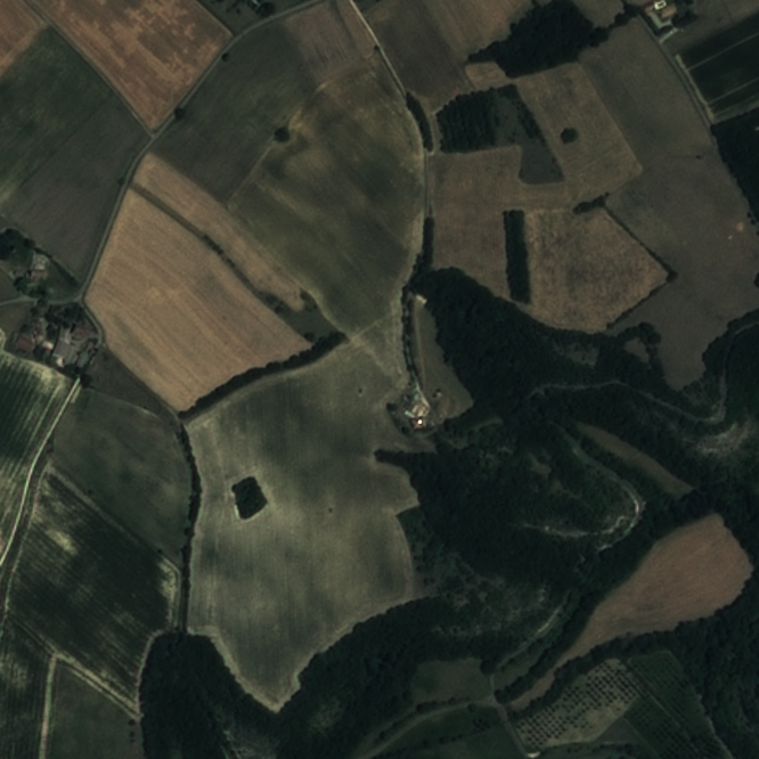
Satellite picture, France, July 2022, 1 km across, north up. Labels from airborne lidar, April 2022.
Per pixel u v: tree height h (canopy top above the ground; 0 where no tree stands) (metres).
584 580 15
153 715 18
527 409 18
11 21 0
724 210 0
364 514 0
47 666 0
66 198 0
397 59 0
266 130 0
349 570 0
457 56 0
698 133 0
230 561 0
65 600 0
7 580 0
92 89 0
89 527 0
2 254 17
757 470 8
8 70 0
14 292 0
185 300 0
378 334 0
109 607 0
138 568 0
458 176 0
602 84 0
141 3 0
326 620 0
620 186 0
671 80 0
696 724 0
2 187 0
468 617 8
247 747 0
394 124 0
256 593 0
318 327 0
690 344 0
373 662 22
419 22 0
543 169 0
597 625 0
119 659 0
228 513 0
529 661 0
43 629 0
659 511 9
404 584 0
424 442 0
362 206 0
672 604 0
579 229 0
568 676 20
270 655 0
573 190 0
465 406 0
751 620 6
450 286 18
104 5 0
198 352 0
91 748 0
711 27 0
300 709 15
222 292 0
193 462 8
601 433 0
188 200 0
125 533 0
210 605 0
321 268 0
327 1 0
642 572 0
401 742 0
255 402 0
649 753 8
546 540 7
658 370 11
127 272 0
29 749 0
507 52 17
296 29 0
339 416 0
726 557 0
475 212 0
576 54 15
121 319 0
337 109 0
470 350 20
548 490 7
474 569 6
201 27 0
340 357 0
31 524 0
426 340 0
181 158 0
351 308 0
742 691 9
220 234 0
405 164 0
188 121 0
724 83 0
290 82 0
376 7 0
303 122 0
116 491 0
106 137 0
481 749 0
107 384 0
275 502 0
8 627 0
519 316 12
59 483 0
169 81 0
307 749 17
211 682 13
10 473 0
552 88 0
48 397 0
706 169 0
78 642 0
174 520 0
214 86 0
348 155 0
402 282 0
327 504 0
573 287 0
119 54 0
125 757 0
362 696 18
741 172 15
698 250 0
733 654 7
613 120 0
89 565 0
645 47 0
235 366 0
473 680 0
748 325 13
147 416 0
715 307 0
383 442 0
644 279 0
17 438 0
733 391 14
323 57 0
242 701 9
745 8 0
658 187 0
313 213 0
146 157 0
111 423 0
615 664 0
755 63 0
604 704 0
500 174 0
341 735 17
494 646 14
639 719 0
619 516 0
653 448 15
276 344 0
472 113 9
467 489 14
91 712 0
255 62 0
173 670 23
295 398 0
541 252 0
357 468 0
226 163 0
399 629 18
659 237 0
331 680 19
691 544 0
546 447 6
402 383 0
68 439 0
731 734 17
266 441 0
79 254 0
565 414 9
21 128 0
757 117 16
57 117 0
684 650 14
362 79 0
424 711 16
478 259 0
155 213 0
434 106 0
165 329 0
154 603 0
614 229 0
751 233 0
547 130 0
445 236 0
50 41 0
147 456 0
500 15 0
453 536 14
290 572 0
